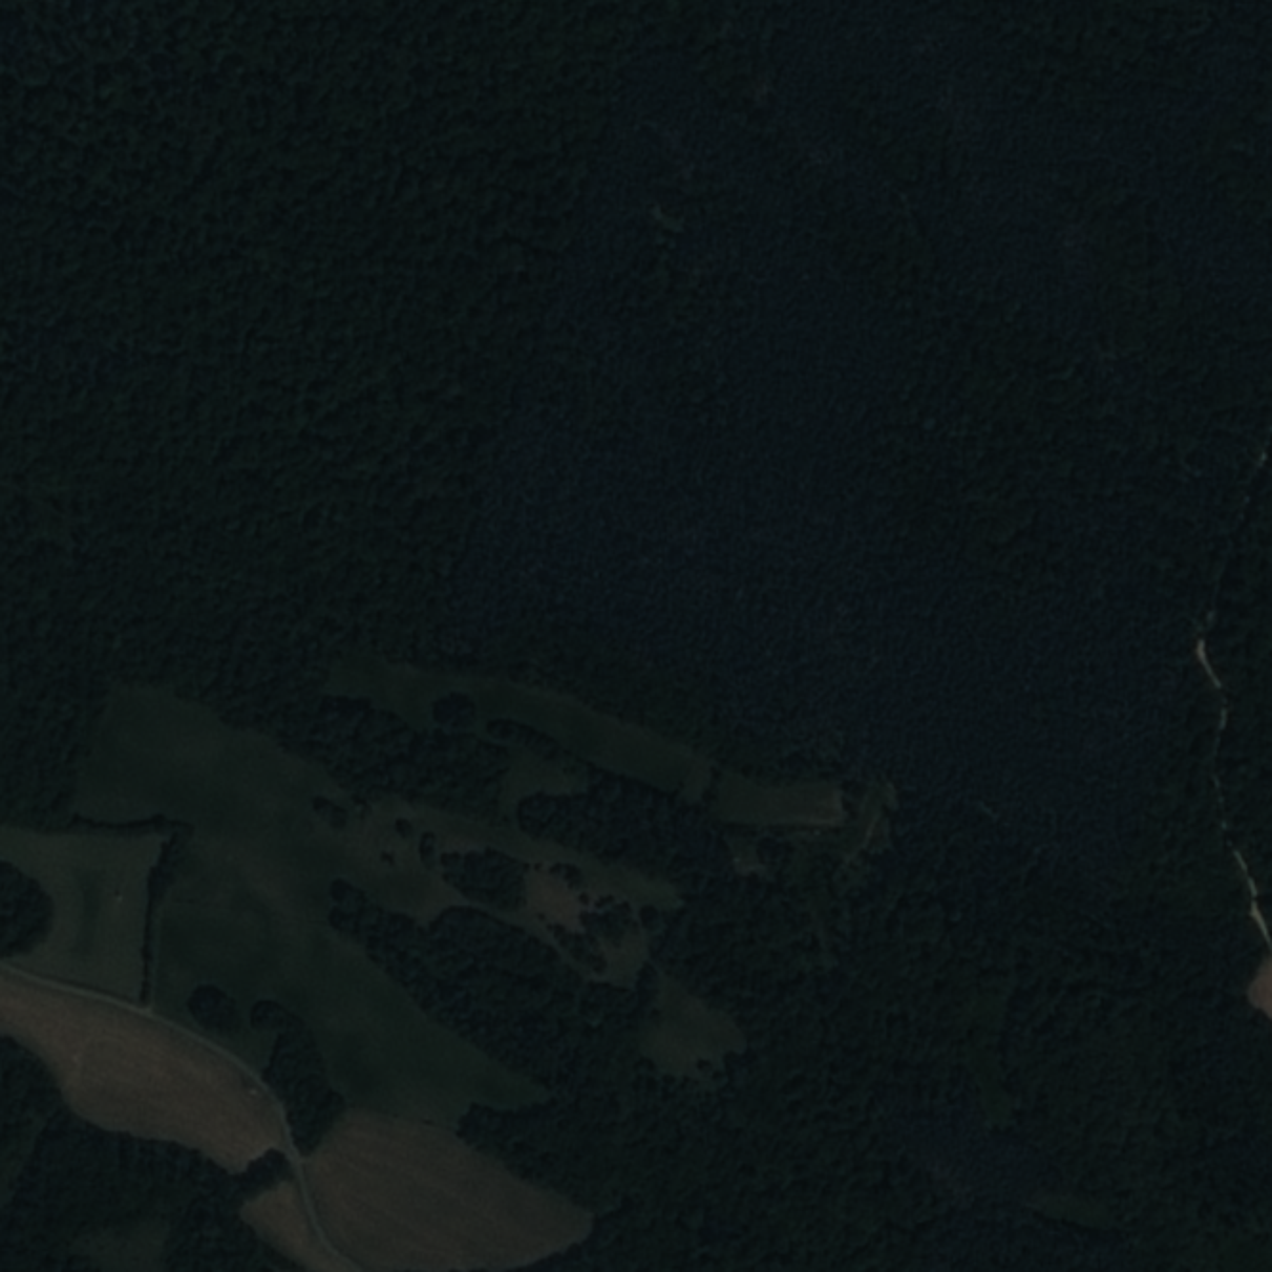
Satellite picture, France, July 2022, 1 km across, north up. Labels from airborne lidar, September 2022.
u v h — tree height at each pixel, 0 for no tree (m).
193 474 16
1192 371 22
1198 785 19
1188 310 23
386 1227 0
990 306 25
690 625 25
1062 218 24
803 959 16
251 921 0
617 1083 19
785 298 23
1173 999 17
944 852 14
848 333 24
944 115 20
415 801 22
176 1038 0
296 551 17
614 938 13
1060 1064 18
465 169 21
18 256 14
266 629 21
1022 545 14
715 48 22
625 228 21
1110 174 23
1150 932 19
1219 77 27
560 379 22
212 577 11
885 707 24
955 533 22
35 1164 7
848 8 27
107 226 17
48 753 13
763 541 26
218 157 13
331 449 18
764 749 13
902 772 24
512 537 24
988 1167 27
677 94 25
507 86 19
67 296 20
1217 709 15
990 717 23
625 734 0
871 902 17
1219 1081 17
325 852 0
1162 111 24
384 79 22
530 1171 18
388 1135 0
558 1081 14
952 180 24
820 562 25
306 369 19
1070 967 18
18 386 20
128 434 13
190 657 16
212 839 0
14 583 13
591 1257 17
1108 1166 17
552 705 0
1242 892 16
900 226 22
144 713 0
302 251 21
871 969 19
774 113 25
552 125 16
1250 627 12
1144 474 22
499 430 19
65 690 19
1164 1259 20
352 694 0
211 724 0
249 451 19
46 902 17
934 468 22
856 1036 19
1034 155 24
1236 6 22
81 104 18
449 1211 0
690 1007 0
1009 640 20
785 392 25
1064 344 21
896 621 25
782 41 26
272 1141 0
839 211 23
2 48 19
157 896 15
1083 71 19
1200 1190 23
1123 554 26
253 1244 17
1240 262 31
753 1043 13
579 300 23
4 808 11
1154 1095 16
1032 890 7
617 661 23
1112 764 27
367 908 19
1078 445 22
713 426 22
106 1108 0
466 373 23
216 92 18
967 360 20
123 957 0
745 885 13
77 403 19
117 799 0
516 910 6
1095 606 28
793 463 21
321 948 0
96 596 16
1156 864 17
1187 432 19
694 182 19
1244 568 17
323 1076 12
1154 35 11
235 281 16
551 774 0
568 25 13
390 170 22
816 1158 17
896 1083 18
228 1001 13
